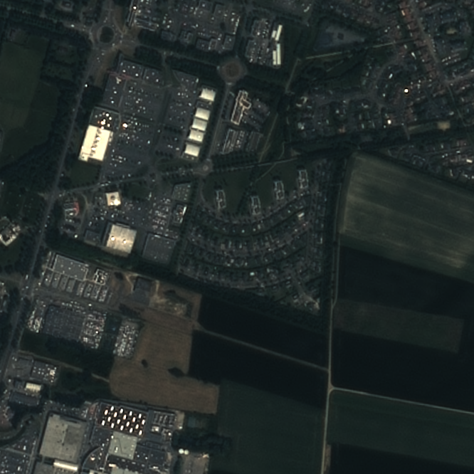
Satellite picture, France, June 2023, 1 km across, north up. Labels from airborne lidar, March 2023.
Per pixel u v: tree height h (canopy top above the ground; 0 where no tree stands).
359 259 0
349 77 6
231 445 11
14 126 0
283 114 8
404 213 0
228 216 8
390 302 0
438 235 0
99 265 0
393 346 0
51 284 0
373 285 0
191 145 0
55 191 0
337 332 0
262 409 0
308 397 0
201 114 0
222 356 0
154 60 13
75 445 0
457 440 0
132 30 0
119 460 0
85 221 0
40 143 0
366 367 0
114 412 0
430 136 12
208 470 0
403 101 0
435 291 0
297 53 11
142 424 0
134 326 0
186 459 0
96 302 0
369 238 0
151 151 0
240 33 9
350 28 13
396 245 0
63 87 10
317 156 10
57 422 0
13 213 0
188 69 12
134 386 0
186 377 0
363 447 0
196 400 0
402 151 0
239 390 0
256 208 0
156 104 0
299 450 0
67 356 0
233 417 0
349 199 0
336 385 0
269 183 0
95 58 0
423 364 0
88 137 0
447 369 0
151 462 0
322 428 0
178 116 0
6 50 0
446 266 0
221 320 0
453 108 5
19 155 0
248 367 0
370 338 0
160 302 0
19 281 0
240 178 0
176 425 0
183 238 6
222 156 7
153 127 0
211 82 0
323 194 0
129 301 0
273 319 0
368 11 0
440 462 0
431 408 0
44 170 17
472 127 7
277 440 0
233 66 0
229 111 0
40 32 17
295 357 0
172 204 0
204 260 7
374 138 11
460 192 0
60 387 0
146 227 0
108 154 0
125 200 0
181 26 0
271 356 0
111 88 0
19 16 13
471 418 0
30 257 9
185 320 0
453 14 0
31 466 0
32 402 0
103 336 0
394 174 0
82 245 15
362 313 0
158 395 0
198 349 0
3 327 16
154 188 0
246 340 0
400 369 0
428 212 0
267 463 0
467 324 0
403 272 0
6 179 14
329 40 0
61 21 0
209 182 0
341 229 0
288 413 0
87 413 0
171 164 0
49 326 0
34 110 0
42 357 0
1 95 0
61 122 21
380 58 0
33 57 0
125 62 0
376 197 0
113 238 0
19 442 0
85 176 0
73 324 0
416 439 0
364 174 0
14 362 0
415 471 0
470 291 0
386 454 0
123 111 0
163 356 0
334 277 0
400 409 0
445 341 0
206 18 0
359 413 0
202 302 0
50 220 9
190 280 8
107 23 0
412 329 0
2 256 0
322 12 10
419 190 0
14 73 0
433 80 0
